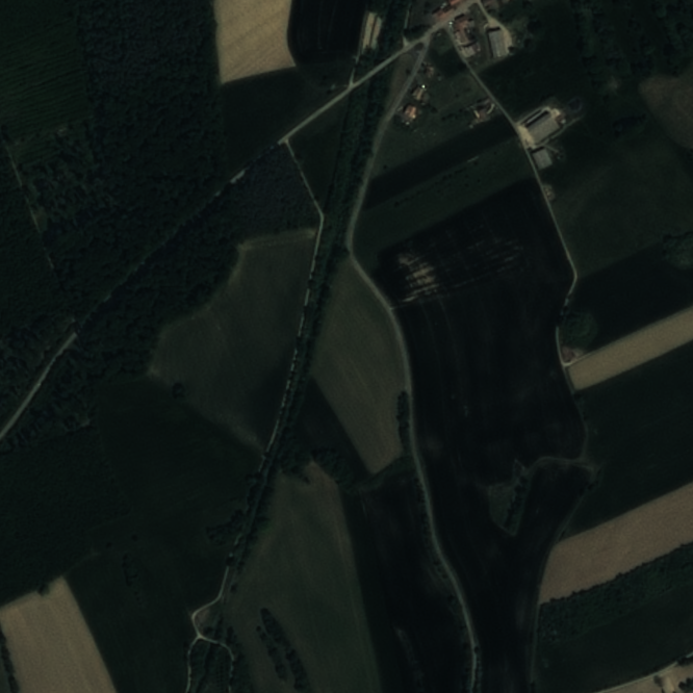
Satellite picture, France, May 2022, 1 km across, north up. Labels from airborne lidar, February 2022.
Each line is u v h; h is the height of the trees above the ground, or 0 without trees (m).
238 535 14
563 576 0
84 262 30
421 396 0
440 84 0
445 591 0
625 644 0
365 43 0
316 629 0
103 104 26
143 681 0
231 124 0
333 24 0
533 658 0
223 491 0
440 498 0
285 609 0
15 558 11
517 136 0
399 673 0
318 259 10
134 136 30
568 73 0
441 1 0
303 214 6
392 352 0
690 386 0
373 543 0
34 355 29
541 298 0
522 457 0
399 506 0
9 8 9
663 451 0
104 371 25
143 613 0
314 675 0
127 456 0
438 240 0
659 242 0
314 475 0
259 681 0
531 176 0
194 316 0
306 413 0
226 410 0
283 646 10
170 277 28
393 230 0
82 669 0
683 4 13
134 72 25
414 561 0
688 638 0
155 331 21
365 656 0
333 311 0
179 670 0
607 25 18
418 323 0
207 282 24
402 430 8
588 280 0
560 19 0
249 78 0
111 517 7
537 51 0
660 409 0
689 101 0
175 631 0
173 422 0
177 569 0
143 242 29
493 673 0
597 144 0
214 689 0
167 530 0
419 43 0
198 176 29
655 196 0
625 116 0
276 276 0
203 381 0
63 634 0
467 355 0
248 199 22
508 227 0
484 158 0
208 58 23
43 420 28
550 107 0
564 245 0
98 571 0
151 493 0
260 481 14
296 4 0
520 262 0
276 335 0
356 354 0
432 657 0
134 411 0
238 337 0
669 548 0
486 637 0
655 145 0
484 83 0
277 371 0
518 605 0
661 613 0
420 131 0
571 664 0
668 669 0
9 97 0
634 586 6
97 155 26
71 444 14
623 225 0
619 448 0
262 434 0
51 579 8
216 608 0
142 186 29
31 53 0
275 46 0
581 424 0
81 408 24
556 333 0
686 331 0
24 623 0
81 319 17
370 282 0
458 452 0
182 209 27
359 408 0
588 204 0
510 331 0
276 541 0
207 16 22
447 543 0
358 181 11
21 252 18
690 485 0
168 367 0
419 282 0
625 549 0
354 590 0
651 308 0
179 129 27
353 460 0
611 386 0
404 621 0
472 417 0
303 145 0
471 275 0
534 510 0
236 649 11
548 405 0
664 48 0
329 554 0
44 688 0
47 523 12
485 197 0
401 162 0
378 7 16
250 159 0
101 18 23
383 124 0
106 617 0
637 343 0
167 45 27
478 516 0
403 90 0
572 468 0
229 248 21
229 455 0
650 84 0
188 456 0
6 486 11
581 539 0
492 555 0
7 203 16
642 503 0
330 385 0
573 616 8
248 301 0
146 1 25
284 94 0
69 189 28
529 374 0
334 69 0
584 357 0
